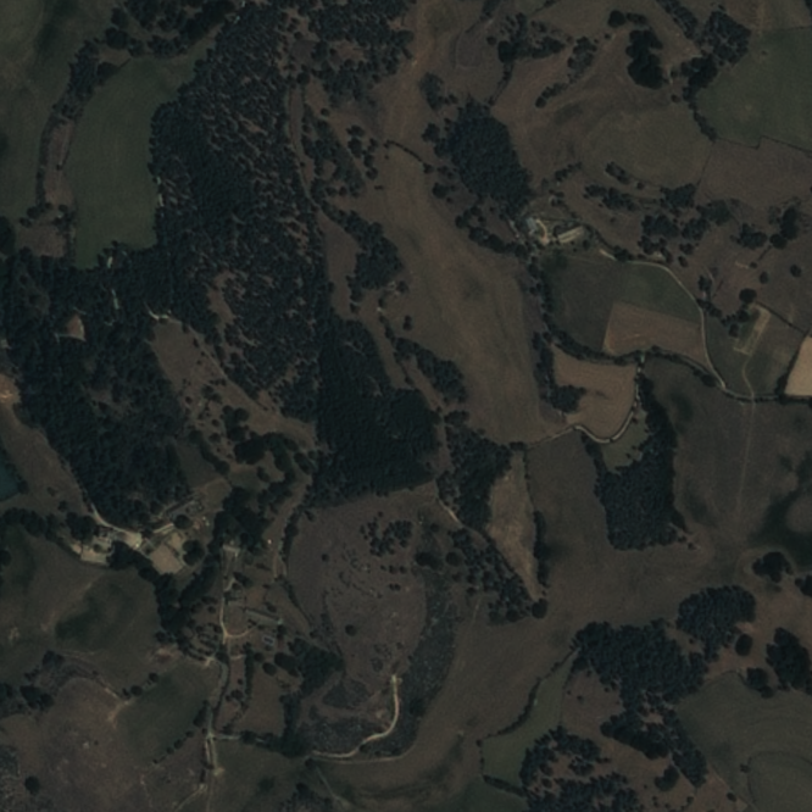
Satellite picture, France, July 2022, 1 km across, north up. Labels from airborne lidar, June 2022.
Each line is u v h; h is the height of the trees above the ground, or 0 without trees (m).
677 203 9
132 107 0
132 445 8
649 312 0
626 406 0
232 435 14
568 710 0
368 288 16
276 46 14
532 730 0
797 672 12
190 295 18
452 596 0
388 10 17
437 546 0
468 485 15
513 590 13
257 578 0
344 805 0
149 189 0
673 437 17
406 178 0
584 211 0
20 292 14
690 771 10
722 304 0
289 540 9
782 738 0
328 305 15
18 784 0
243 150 18
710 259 0
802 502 0
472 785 0
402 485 16
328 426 18
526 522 0
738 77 0
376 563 0
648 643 22
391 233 0
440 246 0
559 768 0
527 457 6
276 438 15
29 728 0
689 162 0
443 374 13
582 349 15
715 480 0
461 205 0
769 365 0
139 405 16
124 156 0
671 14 10
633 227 0
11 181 0
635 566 0
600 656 14
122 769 0
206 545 0
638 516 18
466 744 0
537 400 0
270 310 17
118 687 0
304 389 21
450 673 0
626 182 12
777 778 0
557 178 7
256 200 14
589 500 0
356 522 0
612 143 0
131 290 23
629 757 0
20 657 0
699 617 12
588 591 0
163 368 0
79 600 0
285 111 9
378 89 0
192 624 7
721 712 0
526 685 0
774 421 0
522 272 0
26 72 0
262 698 0
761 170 0
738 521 0
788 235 18
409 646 0
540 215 0
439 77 0
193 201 13
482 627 0
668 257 10
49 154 0
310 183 0
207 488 0
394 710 0
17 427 0
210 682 0
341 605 0
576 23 0
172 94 0
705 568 0
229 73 16
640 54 12
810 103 0
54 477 0
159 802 0
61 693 0
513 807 0
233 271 12
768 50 0
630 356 8
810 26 0
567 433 0
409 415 17
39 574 0
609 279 0
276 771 0
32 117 0
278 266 14
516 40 9
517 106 0
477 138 16
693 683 17
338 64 0
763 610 0
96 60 7
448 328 0
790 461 0
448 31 0
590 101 0
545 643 0
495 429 0
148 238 0
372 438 18
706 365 0
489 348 0
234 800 0
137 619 0
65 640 0
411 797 0
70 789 0
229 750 0
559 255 0
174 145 17
